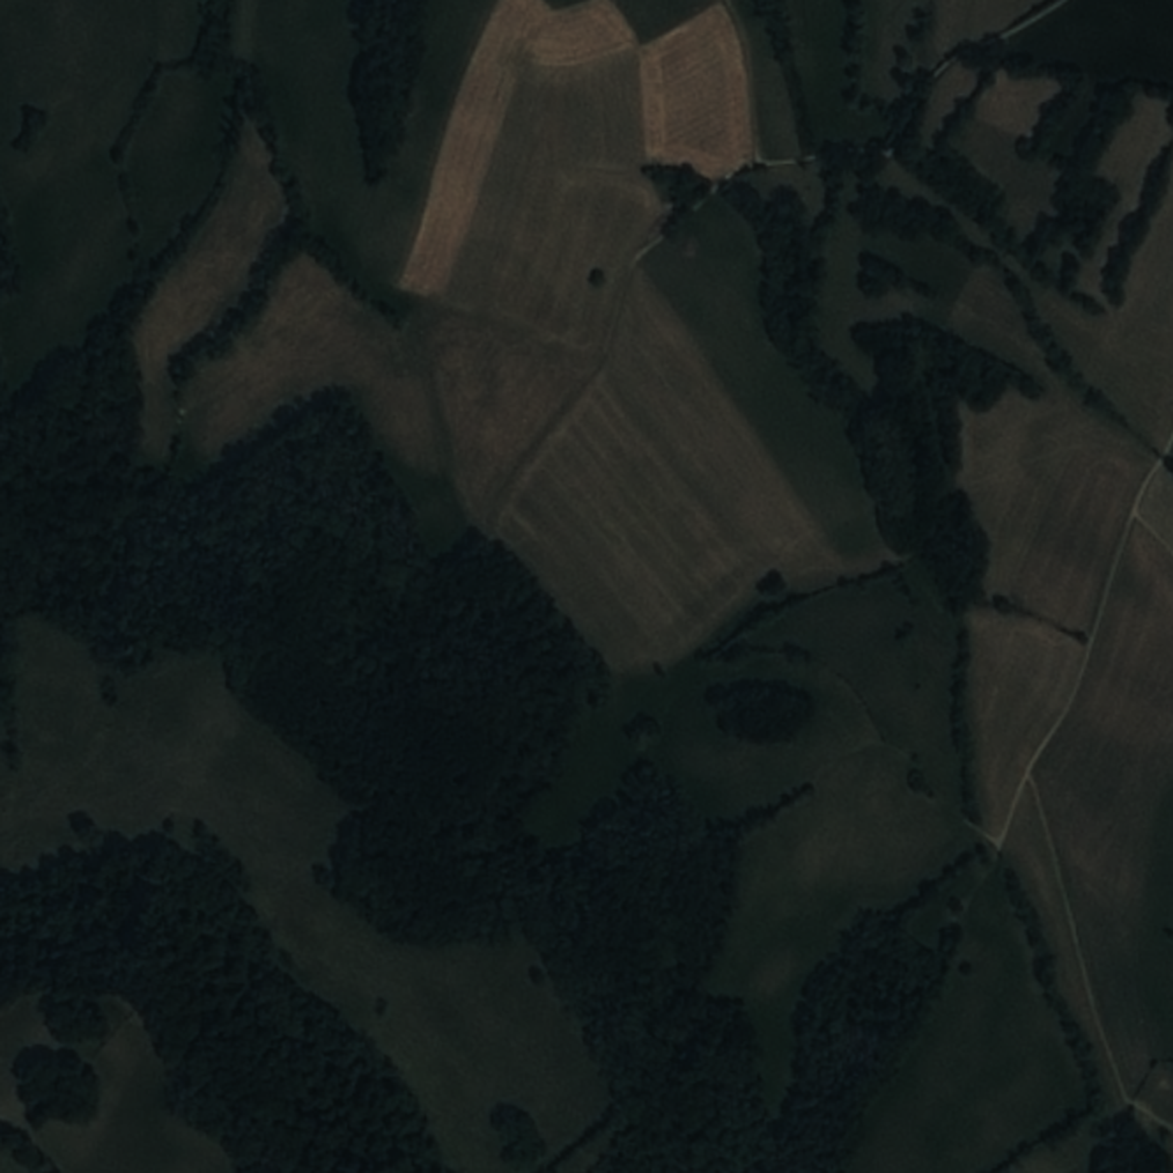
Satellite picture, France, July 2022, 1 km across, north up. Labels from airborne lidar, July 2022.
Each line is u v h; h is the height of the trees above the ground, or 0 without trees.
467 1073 0
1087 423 0
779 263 15
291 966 21
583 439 0
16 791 0
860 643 0
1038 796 0
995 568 0
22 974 26
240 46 0
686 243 0
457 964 0
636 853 26
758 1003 0
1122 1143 21
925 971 15
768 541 0
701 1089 36
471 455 0
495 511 0
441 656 26
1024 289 19
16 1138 20
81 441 33
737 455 0
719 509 0
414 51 19
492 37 0
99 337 19
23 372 0
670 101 0
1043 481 0
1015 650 0
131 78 0
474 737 24
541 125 0
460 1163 0
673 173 9
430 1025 0
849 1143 20
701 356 0
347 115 0
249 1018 29
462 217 0
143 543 32
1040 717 0
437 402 0
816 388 19
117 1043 0
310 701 23
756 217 18
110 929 33
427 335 0
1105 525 0
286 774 0
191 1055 28
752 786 0
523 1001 0
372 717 23
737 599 0
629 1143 9
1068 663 0
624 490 0
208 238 0
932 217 18
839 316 0
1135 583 0
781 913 0
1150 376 0
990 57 17
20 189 0
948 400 16
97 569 20
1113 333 0
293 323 0
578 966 29
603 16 0
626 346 0
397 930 18
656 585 0
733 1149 31
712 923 27
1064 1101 0
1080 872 0
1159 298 0
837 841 0
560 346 0
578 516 0
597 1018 28
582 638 21
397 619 21
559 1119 0
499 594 24
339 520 26
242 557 32
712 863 26
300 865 0
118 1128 0
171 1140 0
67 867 17
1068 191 17
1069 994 0
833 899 0
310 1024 28
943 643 0
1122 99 14
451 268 0
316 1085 29
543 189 0
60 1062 23
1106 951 0
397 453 0
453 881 26
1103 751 0
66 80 0
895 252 0
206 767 0
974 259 16
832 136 0
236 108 17
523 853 25
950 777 0
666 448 0
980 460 0
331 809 0
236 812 0
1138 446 0
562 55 0
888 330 9
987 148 0
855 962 18
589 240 0
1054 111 17
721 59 0
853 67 10
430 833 24
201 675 0
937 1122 0
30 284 0
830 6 0
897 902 0
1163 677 0
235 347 14
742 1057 29
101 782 0
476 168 0
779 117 0
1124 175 0
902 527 19
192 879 26
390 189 0
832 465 0
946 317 0
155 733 0
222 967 27
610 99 0
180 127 0
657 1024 32
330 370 0
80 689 0
